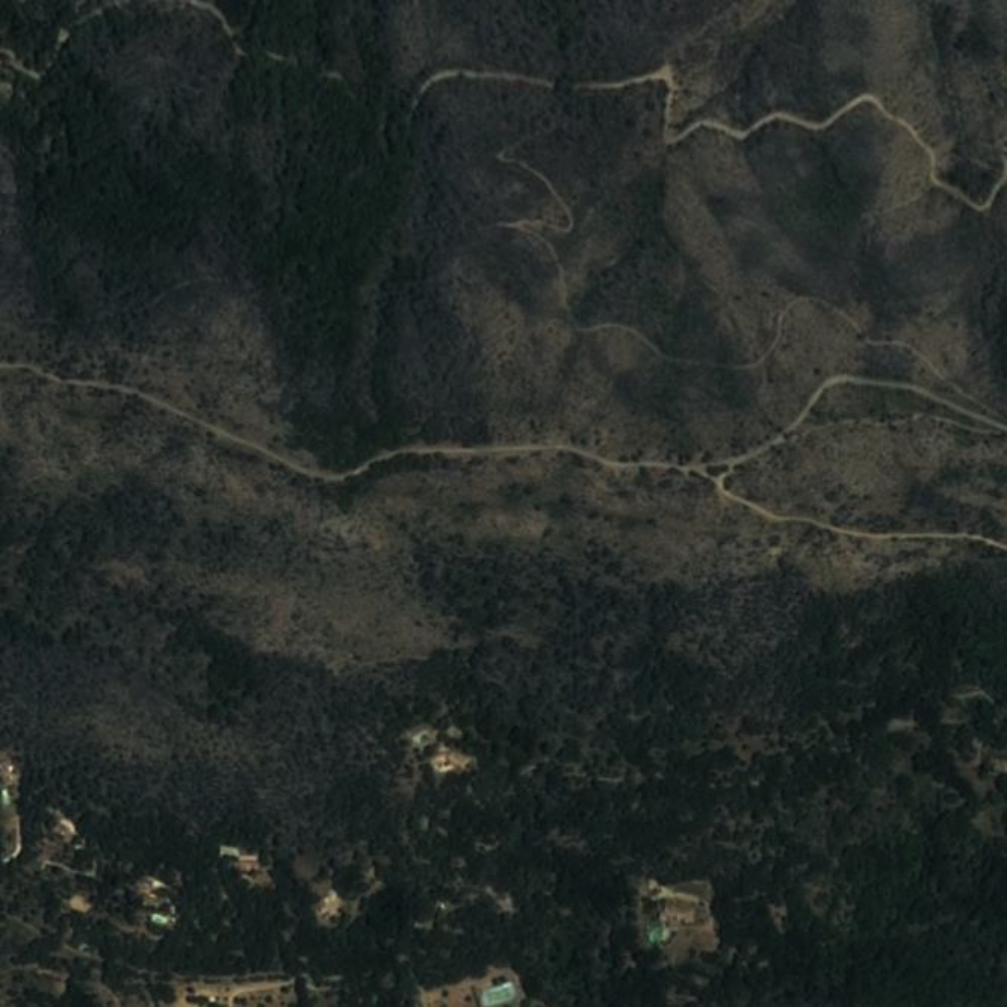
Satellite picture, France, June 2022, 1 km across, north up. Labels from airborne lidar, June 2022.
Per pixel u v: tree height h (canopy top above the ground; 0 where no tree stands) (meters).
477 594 10
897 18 0
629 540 0
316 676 10
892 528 6
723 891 13
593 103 8
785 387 0
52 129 14
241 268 12
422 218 11
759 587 7
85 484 12
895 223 0
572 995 7
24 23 11
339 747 9
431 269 9
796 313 0
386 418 11
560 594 10
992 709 10
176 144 13
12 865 11
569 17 6
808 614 11
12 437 0
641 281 17
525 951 14
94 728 9
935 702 14
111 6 11
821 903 10
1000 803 12
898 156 0
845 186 14
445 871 14
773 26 18
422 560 13
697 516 0
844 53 0
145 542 14
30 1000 8
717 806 13
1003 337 14
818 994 18
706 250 0
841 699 10
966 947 9
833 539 6
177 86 9
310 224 17
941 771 13
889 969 12
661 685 13
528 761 7
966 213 8
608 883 15
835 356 0
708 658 7
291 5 15
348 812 13
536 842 18
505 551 12
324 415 6
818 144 12
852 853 13
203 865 11
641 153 12
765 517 0
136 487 11
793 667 11
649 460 0
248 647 9
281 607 0
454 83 7
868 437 0
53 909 14
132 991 8
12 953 8
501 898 12
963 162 8
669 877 13
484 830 16
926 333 0
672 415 8
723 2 6
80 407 0
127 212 13
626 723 17
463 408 8
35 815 13
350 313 16
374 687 9
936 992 12
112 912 10
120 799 10
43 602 10
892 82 0
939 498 12
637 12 15
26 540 13
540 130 8
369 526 0
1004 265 8
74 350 7
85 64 14
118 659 16
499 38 16
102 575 8
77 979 10
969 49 11
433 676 12
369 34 16
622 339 0
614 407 0
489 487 0
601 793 11
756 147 13
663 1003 14
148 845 13
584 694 8
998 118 0
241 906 13
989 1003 10
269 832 13
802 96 12
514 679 7
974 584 8
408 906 13
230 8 15
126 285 12
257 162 12
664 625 17
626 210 12
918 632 19
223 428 0
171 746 11
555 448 0
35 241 15
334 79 9
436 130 10
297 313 16
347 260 17
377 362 10
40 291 11
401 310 11
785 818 12
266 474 0
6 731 7
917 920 10
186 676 9
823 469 0
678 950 0
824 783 17
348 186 7
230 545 9
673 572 0
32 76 14
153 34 7
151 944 11
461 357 13
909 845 13
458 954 11
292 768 15
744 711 12
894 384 0
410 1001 11
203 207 12
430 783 9
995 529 7
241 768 8
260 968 15
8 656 15
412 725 12
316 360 15
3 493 14
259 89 15
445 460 9
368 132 16
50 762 14
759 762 12
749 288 0
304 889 13
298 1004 8
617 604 15
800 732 7
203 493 11
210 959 12
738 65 6
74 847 11
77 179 16
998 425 0
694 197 0
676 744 17
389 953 13
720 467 7
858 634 12
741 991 14
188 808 8
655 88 8
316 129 13
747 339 0
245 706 16
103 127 8
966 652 18
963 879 18
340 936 10
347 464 6
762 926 15
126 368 8
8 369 0
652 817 13
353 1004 13
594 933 7
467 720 21
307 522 0
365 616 0
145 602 9
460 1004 0
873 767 15
